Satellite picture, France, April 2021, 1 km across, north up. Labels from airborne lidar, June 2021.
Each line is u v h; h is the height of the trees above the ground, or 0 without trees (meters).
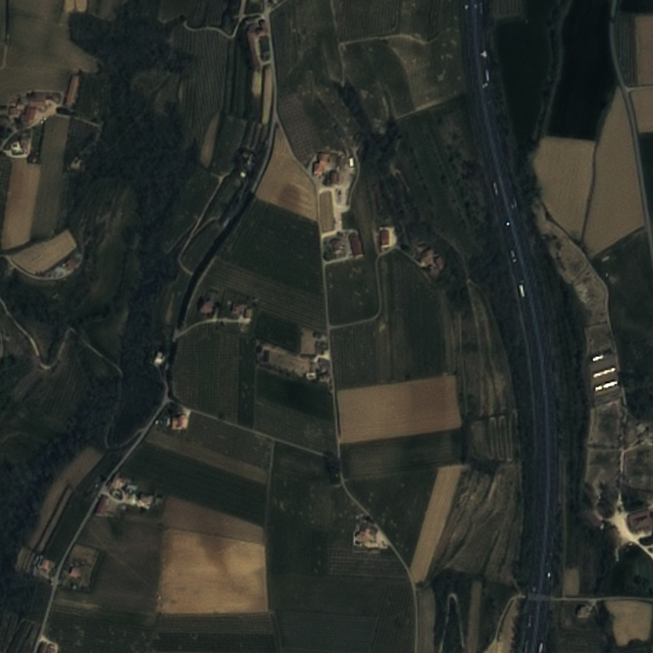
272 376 0
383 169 11
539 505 0
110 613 0
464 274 9
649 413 31
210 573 0
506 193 0
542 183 17
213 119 0
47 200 0
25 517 24
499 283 18
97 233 8
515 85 0
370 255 0
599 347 0
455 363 0
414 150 11
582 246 30
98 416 28
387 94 0
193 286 9
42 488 25
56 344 19
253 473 0
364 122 20
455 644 7
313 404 0
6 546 24
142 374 21
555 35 13
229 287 0
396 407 0
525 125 0
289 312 0
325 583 0
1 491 14
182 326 9
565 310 14
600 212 0
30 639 0
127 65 20
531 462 17
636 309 0
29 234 0
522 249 0
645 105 0
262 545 0
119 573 0
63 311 16
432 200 8
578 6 0
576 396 10
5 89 0
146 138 22
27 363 16
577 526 8
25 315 12
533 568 0
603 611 10
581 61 0
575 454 15
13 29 0
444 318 0
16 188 0
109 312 18
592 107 0
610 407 0
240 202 11
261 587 0
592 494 16
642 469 0
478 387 0
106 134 19
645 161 0
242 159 8
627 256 0
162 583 0
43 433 0
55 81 0
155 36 22
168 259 17
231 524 0
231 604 0
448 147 6
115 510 0
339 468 14
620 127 0
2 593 13
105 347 0
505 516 0
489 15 25
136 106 21
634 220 0
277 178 0
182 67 32
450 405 0
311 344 0
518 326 13
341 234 6
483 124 0
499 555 0
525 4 0
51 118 0
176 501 0
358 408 0
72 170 14
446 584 13
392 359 0
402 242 9
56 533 0
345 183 0
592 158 0
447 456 0
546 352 0
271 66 0
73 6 0
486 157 0
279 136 0
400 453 0
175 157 23
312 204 0
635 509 13
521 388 16
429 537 0
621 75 0
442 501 0
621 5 0
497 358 0
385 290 0
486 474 10
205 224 0
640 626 0
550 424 0
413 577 0
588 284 0
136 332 17
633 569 0
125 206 0
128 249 23
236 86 0
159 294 11
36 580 9
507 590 0
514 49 0
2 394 11
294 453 0
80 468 0
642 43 0
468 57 0
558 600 0
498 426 0
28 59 0
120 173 14
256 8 0
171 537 0
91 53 7
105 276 0
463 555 0
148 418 14
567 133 0
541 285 13
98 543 0
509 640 0
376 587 0
